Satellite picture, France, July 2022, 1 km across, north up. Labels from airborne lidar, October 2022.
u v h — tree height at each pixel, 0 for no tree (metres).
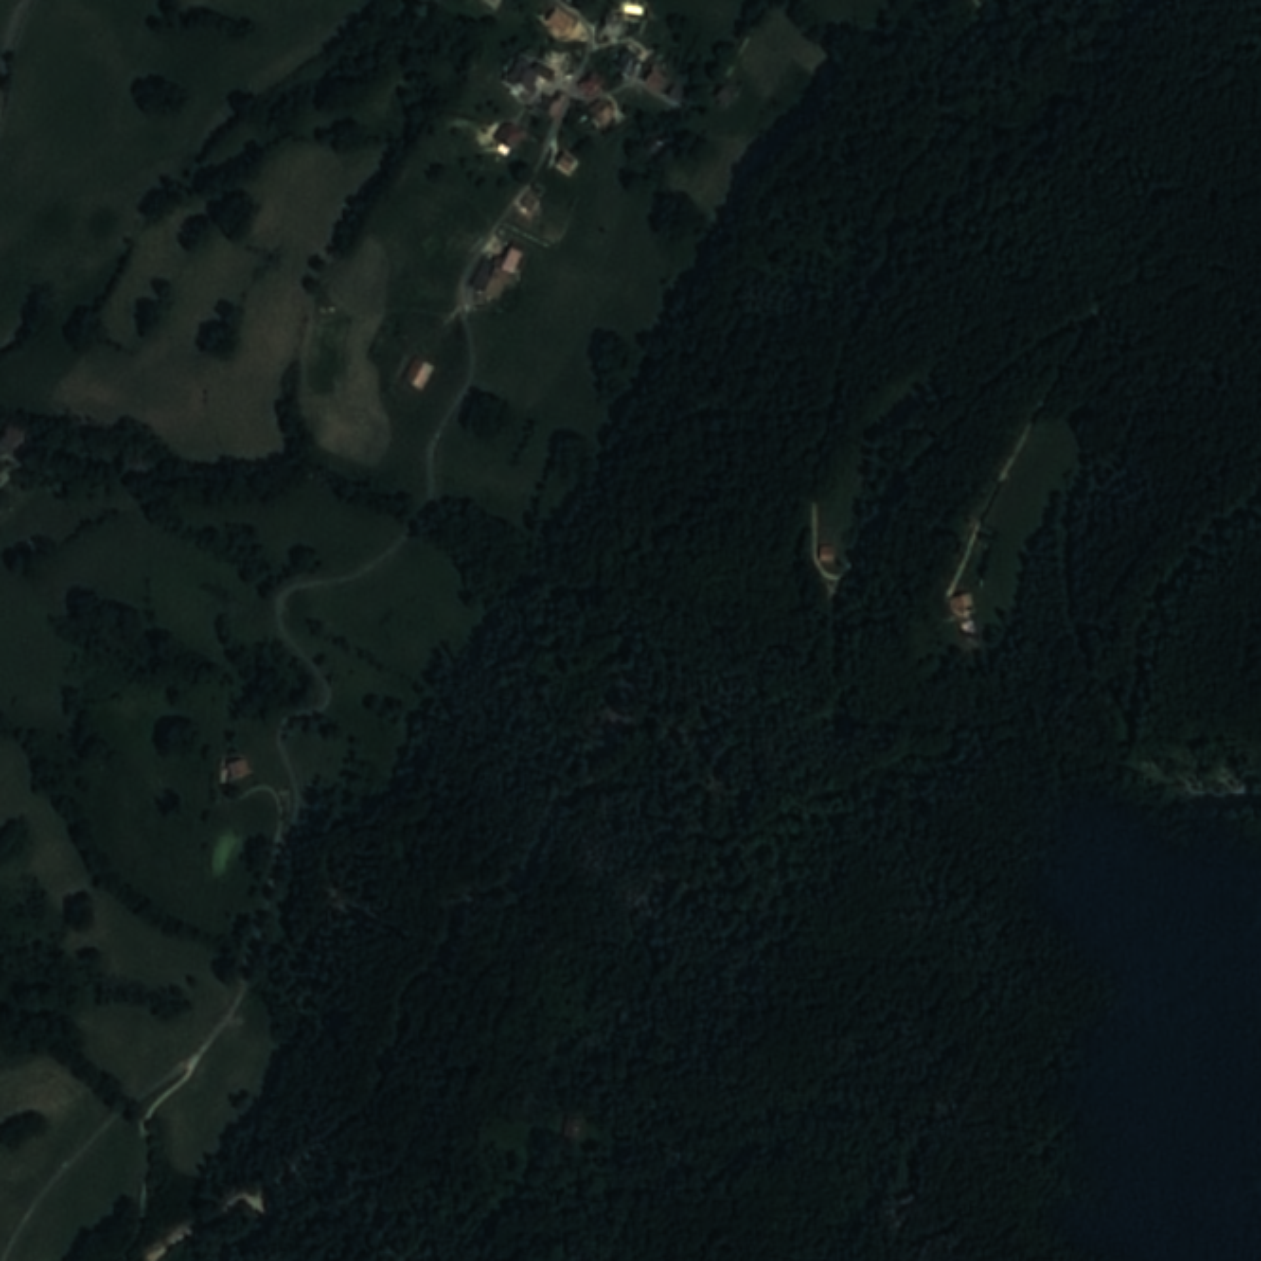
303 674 8
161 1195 8
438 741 21
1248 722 25
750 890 27
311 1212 24
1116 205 26
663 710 29
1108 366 20
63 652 0
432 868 31
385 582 0
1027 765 28
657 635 28
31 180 0
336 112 13
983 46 19
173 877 0
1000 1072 23
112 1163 0
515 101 0
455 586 0
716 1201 24
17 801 0
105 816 0
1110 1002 26
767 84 0
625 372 20
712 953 18
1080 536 13
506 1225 19
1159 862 25
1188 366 24
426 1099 19
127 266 11
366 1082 35
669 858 22
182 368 0
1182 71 27
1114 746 23
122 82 0
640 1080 33
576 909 20
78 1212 0
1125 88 30
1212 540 6
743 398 18
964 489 25
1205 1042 19
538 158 0
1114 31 22
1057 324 20
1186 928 23
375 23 20
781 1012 31
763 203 13
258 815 0
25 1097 0
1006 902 25
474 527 16
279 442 0
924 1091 25
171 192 14
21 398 0
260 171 16
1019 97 14
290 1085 20
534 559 13
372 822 22
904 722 27
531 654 32
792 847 20
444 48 14
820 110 25
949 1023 29
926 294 29
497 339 0
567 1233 12
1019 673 8
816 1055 23
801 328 21
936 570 21
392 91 0
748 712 27
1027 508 0
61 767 7
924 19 8
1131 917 23
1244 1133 21
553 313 0
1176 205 29
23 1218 0
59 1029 25
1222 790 6
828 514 0
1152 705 24
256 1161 24
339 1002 30
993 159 14
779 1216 27
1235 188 27
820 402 20
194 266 0
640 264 0
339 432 0
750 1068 31
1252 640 23
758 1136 12
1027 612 13
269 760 0
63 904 0
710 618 31
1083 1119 20
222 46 0
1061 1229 22
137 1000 15
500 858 29
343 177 0
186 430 0
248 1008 0
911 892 19
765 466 23
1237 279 31
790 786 27
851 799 15
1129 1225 18
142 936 0
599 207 0
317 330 0
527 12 7
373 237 0
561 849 29
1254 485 26
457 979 30
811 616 20
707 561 24
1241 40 22
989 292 28
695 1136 23
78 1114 0
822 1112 11
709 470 21
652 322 0
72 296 0
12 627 0
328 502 0
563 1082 21
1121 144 32
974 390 22
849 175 11
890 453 24
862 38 29
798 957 27
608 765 30
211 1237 22
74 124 0
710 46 0
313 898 29
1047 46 29
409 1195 29
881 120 22
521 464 5
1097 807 28
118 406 0
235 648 19
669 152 13
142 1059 0
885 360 21
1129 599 29
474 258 0
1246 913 26
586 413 0
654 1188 21
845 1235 21
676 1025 16
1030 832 24
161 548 0
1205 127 29
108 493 8
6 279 0
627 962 15
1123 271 26
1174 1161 18
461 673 16
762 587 22
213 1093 0
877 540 22
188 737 26
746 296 20
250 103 24
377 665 11
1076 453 0
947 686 18
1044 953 28
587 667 22
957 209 23
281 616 0
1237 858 29
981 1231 23
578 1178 13
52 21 0
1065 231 16
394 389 0
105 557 0
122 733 0
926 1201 20
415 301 0
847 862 20
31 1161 0
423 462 0
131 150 0
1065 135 27
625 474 24
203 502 6
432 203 0
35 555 25
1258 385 29
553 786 32
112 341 7
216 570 0
